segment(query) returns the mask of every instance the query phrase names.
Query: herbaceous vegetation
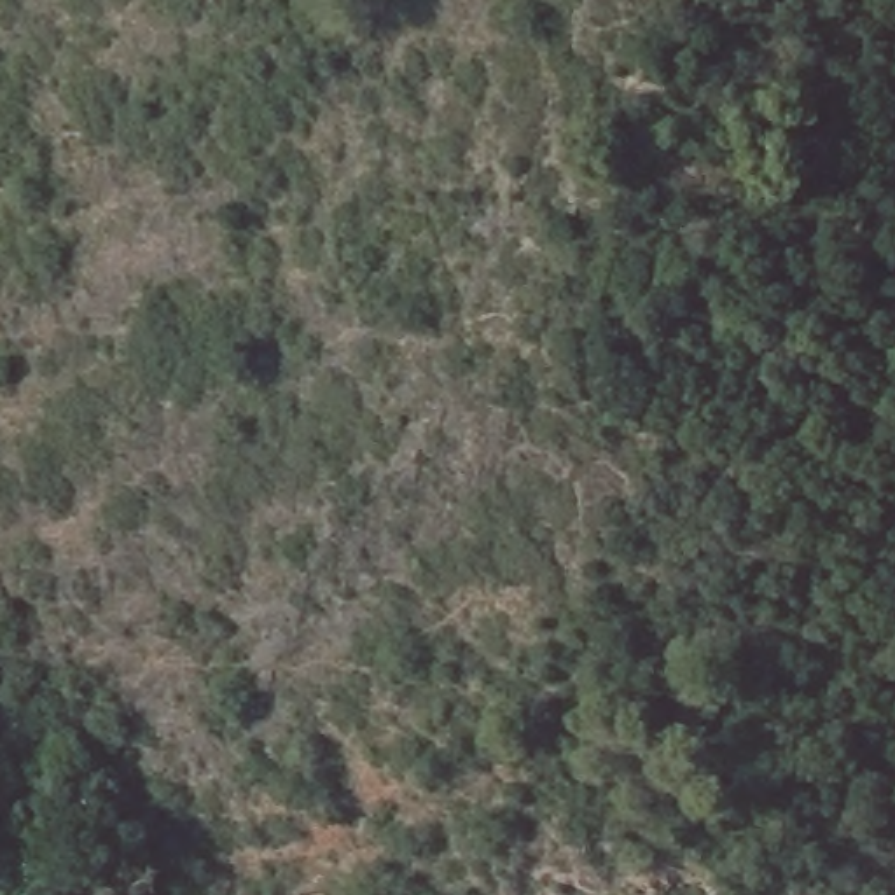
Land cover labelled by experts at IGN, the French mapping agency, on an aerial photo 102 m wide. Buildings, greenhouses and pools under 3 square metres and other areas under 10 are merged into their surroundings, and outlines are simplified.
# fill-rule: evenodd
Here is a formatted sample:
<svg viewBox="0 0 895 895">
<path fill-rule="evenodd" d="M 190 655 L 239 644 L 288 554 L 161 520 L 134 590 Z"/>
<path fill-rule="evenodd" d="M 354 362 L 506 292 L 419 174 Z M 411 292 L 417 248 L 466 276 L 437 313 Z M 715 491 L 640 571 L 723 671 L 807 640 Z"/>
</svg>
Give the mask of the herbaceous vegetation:
<svg viewBox="0 0 895 895">
<path fill-rule="evenodd" d="M 493 0 L 441 0 L 437 17 L 454 31 L 451 45 L 458 59 L 472 59 L 475 49 L 486 45 L 503 45 L 507 35 L 489 28 Z"/>
<path fill-rule="evenodd" d="M 615 881 L 601 881 L 594 867 L 584 864 L 584 850 L 566 843 L 563 822 L 549 818 L 531 839 L 538 857 L 538 867 L 531 871 L 535 895 L 654 895 L 650 874 L 640 871 L 619 874 Z"/>
<path fill-rule="evenodd" d="M 245 287 L 245 276 L 238 276 L 238 266 L 224 255 L 227 227 L 220 224 L 220 206 L 238 199 L 234 182 L 224 178 L 213 189 L 168 196 L 164 178 L 157 171 L 126 157 L 119 143 L 87 147 L 80 119 L 59 98 L 35 94 L 31 126 L 52 140 L 52 168 L 59 178 L 73 182 L 77 196 L 77 213 L 52 213 L 52 227 L 63 234 L 80 234 L 80 248 L 73 259 L 77 280 L 73 297 L 56 297 L 49 304 L 21 308 L 17 301 L 0 294 L 0 350 L 7 357 L 24 357 L 28 364 L 28 374 L 14 392 L 0 388 L 0 465 L 14 472 L 24 461 L 14 448 L 21 437 L 31 437 L 38 430 L 45 399 L 70 392 L 73 381 L 87 381 L 94 388 L 105 385 L 108 367 L 119 364 L 115 339 L 129 336 L 126 315 L 129 308 L 143 304 L 147 280 L 168 283 L 192 276 L 210 294 L 231 294 Z"/>
<path fill-rule="evenodd" d="M 98 66 L 115 70 L 122 80 L 136 73 L 136 63 L 143 63 L 147 52 L 175 56 L 175 21 L 150 17 L 150 0 L 129 0 L 105 14 L 108 28 L 115 28 L 115 38 L 108 49 L 98 49 L 94 56 Z"/>
<path fill-rule="evenodd" d="M 451 280 L 461 294 L 461 311 L 444 315 L 437 336 L 364 325 L 360 343 L 325 346 L 322 360 L 311 360 L 301 371 L 301 378 L 276 381 L 301 402 L 315 402 L 315 385 L 329 381 L 332 371 L 343 371 L 357 381 L 364 406 L 385 427 L 406 427 L 406 441 L 395 448 L 388 461 L 374 454 L 360 454 L 353 461 L 353 475 L 371 475 L 371 493 L 364 493 L 353 507 L 336 514 L 332 503 L 259 503 L 245 528 L 248 566 L 241 577 L 241 591 L 206 591 L 203 559 L 189 559 L 185 549 L 168 552 L 164 545 L 150 545 L 140 528 L 108 535 L 101 545 L 94 545 L 94 517 L 112 496 L 140 489 L 143 479 L 157 472 L 171 486 L 206 482 L 206 461 L 213 458 L 213 444 L 206 444 L 203 437 L 224 409 L 220 399 L 206 388 L 196 409 L 164 409 L 154 399 L 147 420 L 136 420 L 133 427 L 108 416 L 101 427 L 115 461 L 94 475 L 94 486 L 84 486 L 77 493 L 73 514 L 56 521 L 45 510 L 45 503 L 21 503 L 17 524 L 7 524 L 0 514 L 0 577 L 10 594 L 35 608 L 42 633 L 31 633 L 28 650 L 35 661 L 63 664 L 63 643 L 73 643 L 84 664 L 115 664 L 122 696 L 161 734 L 150 748 L 140 752 L 143 773 L 189 783 L 192 794 L 217 783 L 231 822 L 262 822 L 269 815 L 283 815 L 287 804 L 273 801 L 262 787 L 252 797 L 241 797 L 241 783 L 234 783 L 234 766 L 245 762 L 245 752 L 234 748 L 234 741 L 210 738 L 192 710 L 175 706 L 175 692 L 192 689 L 196 661 L 168 636 L 147 633 L 150 612 L 157 612 L 154 584 L 178 594 L 189 605 L 220 608 L 224 615 L 231 615 L 238 622 L 241 643 L 252 650 L 252 671 L 259 685 L 266 692 L 276 692 L 280 685 L 294 685 L 297 678 L 311 678 L 318 668 L 339 668 L 353 643 L 353 626 L 374 615 L 378 594 L 357 594 L 353 601 L 346 601 L 343 587 L 371 587 L 371 577 L 406 584 L 416 573 L 416 563 L 406 559 L 413 545 L 427 549 L 430 542 L 437 545 L 458 538 L 458 493 L 475 489 L 479 482 L 496 482 L 500 475 L 507 475 L 510 489 L 517 489 L 521 475 L 531 475 L 538 468 L 549 479 L 573 486 L 573 496 L 587 493 L 587 500 L 608 500 L 629 500 L 640 493 L 640 486 L 626 468 L 615 465 L 605 437 L 580 437 L 570 441 L 563 451 L 556 451 L 552 444 L 531 444 L 521 427 L 521 413 L 500 406 L 500 385 L 507 381 L 524 336 L 517 336 L 514 290 L 500 280 L 496 266 L 503 241 L 514 241 L 517 248 L 521 238 L 542 241 L 545 220 L 542 213 L 510 203 L 514 140 L 496 129 L 493 108 L 482 105 L 472 122 L 468 161 L 475 171 L 493 171 L 496 203 L 472 220 L 472 231 L 486 238 L 486 255 L 475 255 L 468 248 L 444 255 L 444 266 L 451 269 Z M 451 378 L 448 350 L 482 343 L 493 346 L 489 360 L 472 374 Z M 287 542 L 304 524 L 315 528 L 315 549 L 308 552 L 308 563 L 294 566 L 287 559 Z"/>
<path fill-rule="evenodd" d="M 434 794 L 413 773 L 395 780 L 392 769 L 371 766 L 360 741 L 343 752 L 350 783 L 360 797 L 360 818 L 353 825 L 318 822 L 308 843 L 234 850 L 231 864 L 238 871 L 259 878 L 262 864 L 304 860 L 304 881 L 294 895 L 329 895 L 325 881 L 332 874 L 353 874 L 357 864 L 374 864 L 385 857 L 385 846 L 374 836 L 381 801 L 392 801 L 399 808 L 402 825 L 427 825 L 437 815 Z"/>
<path fill-rule="evenodd" d="M 294 133 L 294 150 L 311 154 L 322 175 L 325 199 L 350 199 L 378 161 L 378 143 L 364 136 L 367 129 L 357 119 L 360 108 L 343 105 L 318 115 L 311 136 Z"/>
<path fill-rule="evenodd" d="M 538 643 L 538 619 L 549 615 L 549 605 L 531 601 L 528 587 L 458 587 L 451 594 L 448 615 L 461 640 L 479 629 L 486 615 L 503 612 L 510 619 L 510 643 Z"/>
</svg>

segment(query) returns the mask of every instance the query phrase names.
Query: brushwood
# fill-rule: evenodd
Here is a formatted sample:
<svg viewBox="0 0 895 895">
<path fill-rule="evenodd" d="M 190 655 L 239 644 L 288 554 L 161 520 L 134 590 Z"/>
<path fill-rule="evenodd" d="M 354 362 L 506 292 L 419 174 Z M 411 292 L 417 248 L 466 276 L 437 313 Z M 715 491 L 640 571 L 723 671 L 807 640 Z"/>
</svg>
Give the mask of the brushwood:
<svg viewBox="0 0 895 895">
<path fill-rule="evenodd" d="M 493 346 L 482 343 L 448 350 L 451 378 L 472 374 L 489 360 Z"/>
<path fill-rule="evenodd" d="M 493 171 L 475 171 L 468 161 L 472 122 L 482 105 L 493 108 L 496 129 L 514 140 L 510 203 L 542 213 L 545 220 L 542 241 L 521 238 L 517 248 L 514 241 L 503 241 L 496 266 L 500 280 L 514 290 L 517 336 L 524 336 L 507 381 L 500 385 L 500 406 L 521 413 L 521 427 L 531 444 L 552 444 L 556 451 L 563 451 L 570 441 L 580 437 L 605 437 L 615 465 L 626 468 L 640 486 L 650 472 L 661 468 L 661 437 L 640 430 L 636 420 L 612 416 L 601 406 L 591 406 L 577 392 L 570 329 L 584 329 L 601 294 L 587 287 L 584 301 L 566 301 L 563 276 L 573 273 L 577 252 L 566 224 L 573 213 L 587 217 L 605 203 L 615 203 L 619 185 L 643 189 L 661 178 L 671 178 L 689 164 L 689 157 L 675 154 L 671 147 L 657 147 L 654 133 L 629 119 L 636 101 L 643 94 L 654 94 L 661 84 L 657 63 L 643 52 L 643 35 L 650 28 L 661 28 L 682 0 L 493 0 L 489 28 L 507 35 L 503 45 L 486 45 L 475 49 L 472 59 L 458 59 L 451 45 L 454 31 L 437 17 L 441 0 L 150 0 L 150 17 L 175 21 L 175 56 L 147 52 L 143 63 L 136 63 L 136 73 L 122 80 L 115 70 L 98 66 L 94 56 L 98 49 L 108 49 L 115 38 L 115 28 L 108 28 L 105 14 L 129 0 L 0 0 L 0 294 L 17 301 L 21 308 L 49 304 L 56 297 L 73 297 L 77 280 L 73 259 L 80 248 L 80 234 L 63 234 L 52 227 L 52 213 L 77 213 L 77 196 L 73 182 L 59 178 L 52 168 L 52 140 L 31 126 L 35 94 L 59 98 L 80 119 L 87 147 L 119 143 L 126 157 L 157 171 L 164 178 L 168 196 L 213 189 L 224 178 L 234 182 L 238 199 L 220 206 L 220 224 L 227 227 L 224 255 L 238 266 L 238 276 L 245 276 L 245 287 L 231 294 L 210 294 L 192 276 L 168 283 L 147 280 L 143 304 L 129 308 L 126 315 L 129 336 L 115 339 L 119 364 L 108 367 L 105 385 L 94 388 L 87 381 L 73 381 L 70 392 L 45 399 L 38 430 L 31 437 L 21 437 L 14 448 L 24 461 L 14 472 L 0 465 L 0 514 L 7 524 L 17 524 L 21 503 L 45 503 L 45 510 L 56 521 L 73 514 L 77 493 L 84 486 L 94 486 L 94 475 L 115 461 L 101 427 L 108 416 L 133 427 L 136 420 L 147 420 L 154 399 L 164 409 L 196 409 L 206 388 L 220 399 L 224 409 L 203 437 L 206 444 L 213 444 L 213 458 L 206 461 L 206 482 L 171 486 L 157 472 L 143 479 L 140 489 L 112 496 L 94 517 L 94 545 L 101 545 L 108 535 L 140 528 L 150 545 L 164 545 L 168 552 L 185 549 L 189 559 L 203 559 L 206 591 L 241 591 L 241 577 L 248 566 L 245 528 L 259 503 L 332 503 L 336 514 L 353 507 L 364 493 L 371 493 L 371 475 L 353 475 L 353 461 L 360 454 L 374 454 L 388 461 L 395 448 L 406 441 L 406 427 L 385 427 L 364 406 L 357 381 L 343 371 L 332 371 L 329 381 L 315 385 L 315 402 L 301 402 L 276 381 L 301 378 L 301 371 L 311 360 L 322 360 L 325 346 L 360 343 L 364 325 L 437 336 L 444 315 L 461 311 L 461 294 L 451 280 L 451 269 L 444 266 L 444 255 L 468 248 L 475 255 L 486 255 L 486 238 L 472 231 L 472 220 L 496 203 Z M 378 143 L 378 161 L 350 199 L 325 199 L 322 175 L 311 154 L 294 150 L 294 133 L 311 136 L 318 115 L 343 105 L 360 108 L 357 119 L 367 129 L 364 136 Z M 594 192 L 584 189 L 570 168 L 570 140 L 584 122 L 612 126 L 612 150 L 605 161 L 612 182 Z"/>
<path fill-rule="evenodd" d="M 24 762 L 35 759 L 49 731 L 66 727 L 77 734 L 87 727 L 98 741 L 119 748 L 119 755 L 101 776 L 98 797 L 108 801 L 122 818 L 143 825 L 143 836 L 150 839 L 154 853 L 150 871 L 157 881 L 168 885 L 189 860 L 203 860 L 206 871 L 217 860 L 231 864 L 234 850 L 308 843 L 318 822 L 353 825 L 360 818 L 360 797 L 350 783 L 343 752 L 360 741 L 371 766 L 392 769 L 395 780 L 413 773 L 434 794 L 437 815 L 427 825 L 402 825 L 399 808 L 392 801 L 381 801 L 374 836 L 385 846 L 385 857 L 374 864 L 357 864 L 353 874 L 332 874 L 325 881 L 329 895 L 535 895 L 531 871 L 538 867 L 538 857 L 531 839 L 549 818 L 563 822 L 566 843 L 584 850 L 584 864 L 594 867 L 601 881 L 615 881 L 619 874 L 640 871 L 650 874 L 654 895 L 755 895 L 759 853 L 780 839 L 783 822 L 773 811 L 759 811 L 745 832 L 727 832 L 720 811 L 713 808 L 720 790 L 717 776 L 689 762 L 689 755 L 699 748 L 699 738 L 685 734 L 682 724 L 671 724 L 661 731 L 657 745 L 647 745 L 640 717 L 643 710 L 622 699 L 622 689 L 601 699 L 594 654 L 580 654 L 573 675 L 563 682 L 549 682 L 545 675 L 545 643 L 566 643 L 573 636 L 570 619 L 587 605 L 587 591 L 605 591 L 619 584 L 633 598 L 636 591 L 643 591 L 647 580 L 657 580 L 657 598 L 675 601 L 678 591 L 689 587 L 678 570 L 682 559 L 675 556 L 675 549 L 661 549 L 654 563 L 629 563 L 615 552 L 615 524 L 605 521 L 608 500 L 587 500 L 587 493 L 573 496 L 573 486 L 549 479 L 538 468 L 531 475 L 521 475 L 517 489 L 510 489 L 507 475 L 500 475 L 496 482 L 479 482 L 475 489 L 458 493 L 458 538 L 437 545 L 430 542 L 427 549 L 413 545 L 406 559 L 416 563 L 416 573 L 406 584 L 371 577 L 371 587 L 343 587 L 346 601 L 353 601 L 357 594 L 378 594 L 374 615 L 353 626 L 353 643 L 339 668 L 318 668 L 311 678 L 297 678 L 294 685 L 280 685 L 276 692 L 266 692 L 259 685 L 252 671 L 252 650 L 241 643 L 238 622 L 231 615 L 224 615 L 220 608 L 189 605 L 178 594 L 154 584 L 157 612 L 150 612 L 147 633 L 168 636 L 196 661 L 192 689 L 175 692 L 175 706 L 192 710 L 210 738 L 234 741 L 234 748 L 245 752 L 245 762 L 234 766 L 234 783 L 241 783 L 241 797 L 252 797 L 262 787 L 273 801 L 287 804 L 283 815 L 269 815 L 262 822 L 231 822 L 217 783 L 192 794 L 189 783 L 143 773 L 140 752 L 150 748 L 161 734 L 122 696 L 115 664 L 84 664 L 73 643 L 63 643 L 63 664 L 35 661 L 28 650 L 31 633 L 42 633 L 35 608 L 10 594 L 0 577 L 0 853 L 10 853 L 21 843 L 10 811 L 14 801 L 24 801 L 31 794 Z M 448 615 L 451 594 L 458 587 L 528 587 L 531 601 L 549 605 L 549 615 L 538 619 L 538 643 L 510 643 L 510 619 L 503 612 L 486 615 L 479 629 L 461 640 Z"/>
<path fill-rule="evenodd" d="M 238 871 L 234 895 L 294 895 L 304 881 L 304 860 L 262 864 L 259 878 Z"/>
<path fill-rule="evenodd" d="M 315 549 L 315 528 L 304 524 L 287 542 L 287 559 L 294 566 L 308 563 L 308 552 Z"/>
</svg>

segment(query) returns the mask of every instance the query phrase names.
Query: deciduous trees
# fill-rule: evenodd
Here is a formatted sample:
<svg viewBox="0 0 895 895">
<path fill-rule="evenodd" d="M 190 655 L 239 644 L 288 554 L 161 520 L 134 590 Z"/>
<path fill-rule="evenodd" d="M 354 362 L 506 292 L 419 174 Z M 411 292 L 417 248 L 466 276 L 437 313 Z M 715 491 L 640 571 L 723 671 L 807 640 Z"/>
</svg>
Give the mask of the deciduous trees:
<svg viewBox="0 0 895 895">
<path fill-rule="evenodd" d="M 24 357 L 7 357 L 0 350 L 0 388 L 14 392 L 28 374 L 28 364 Z"/>
<path fill-rule="evenodd" d="M 643 189 L 619 185 L 615 203 L 605 203 L 587 217 L 573 213 L 566 224 L 577 252 L 573 273 L 563 276 L 566 301 L 584 301 L 587 287 L 601 294 L 584 329 L 570 329 L 577 392 L 591 406 L 601 406 L 612 416 L 636 420 L 640 430 L 661 437 L 661 468 L 650 472 L 640 486 L 640 493 L 629 500 L 608 500 L 605 521 L 615 524 L 615 552 L 629 563 L 654 563 L 661 549 L 675 549 L 675 556 L 682 559 L 678 570 L 689 587 L 678 591 L 675 601 L 657 598 L 657 580 L 647 580 L 643 591 L 636 591 L 633 598 L 619 584 L 605 591 L 587 591 L 587 605 L 570 619 L 573 636 L 566 643 L 545 643 L 545 675 L 549 682 L 563 682 L 573 675 L 580 654 L 594 654 L 601 699 L 622 689 L 622 699 L 643 710 L 640 717 L 647 745 L 657 745 L 661 731 L 671 724 L 682 724 L 685 734 L 699 738 L 699 748 L 689 755 L 689 762 L 717 776 L 720 790 L 713 808 L 720 811 L 727 832 L 745 832 L 759 811 L 773 811 L 783 822 L 780 839 L 759 853 L 755 895 L 895 895 L 895 0 L 682 0 L 661 28 L 650 28 L 643 35 L 643 52 L 657 63 L 661 84 L 654 94 L 643 94 L 636 101 L 629 119 L 654 133 L 657 147 L 671 147 L 675 154 L 689 157 L 689 164 L 671 178 L 661 178 Z"/>
<path fill-rule="evenodd" d="M 203 860 L 189 860 L 168 885 L 157 881 L 150 871 L 154 853 L 150 839 L 143 836 L 143 825 L 122 818 L 108 801 L 98 797 L 101 776 L 119 755 L 119 748 L 98 741 L 87 727 L 77 734 L 66 727 L 49 731 L 35 759 L 24 762 L 31 794 L 24 801 L 14 801 L 10 811 L 21 843 L 10 853 L 0 853 L 0 895 L 234 895 L 238 871 L 231 864 L 217 860 L 206 871 Z"/>
<path fill-rule="evenodd" d="M 570 140 L 570 168 L 584 189 L 594 192 L 612 182 L 605 161 L 612 150 L 612 126 L 584 122 Z"/>
</svg>

